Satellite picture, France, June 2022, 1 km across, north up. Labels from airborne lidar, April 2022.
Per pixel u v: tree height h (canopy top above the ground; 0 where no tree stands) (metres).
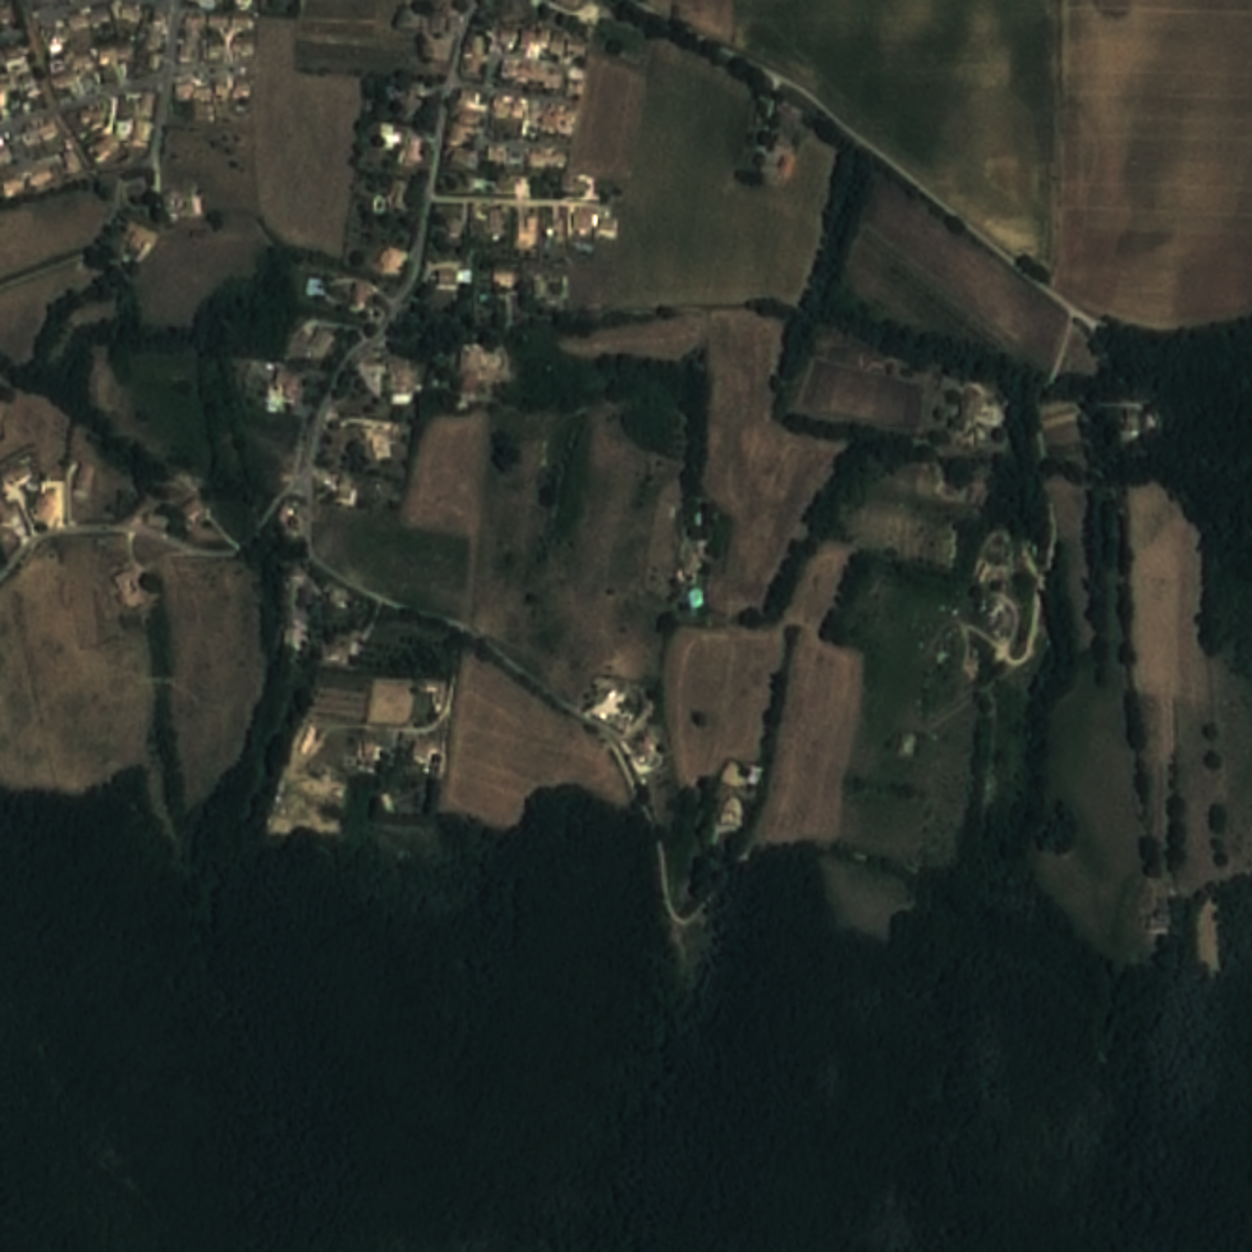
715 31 0
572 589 0
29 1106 8
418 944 12
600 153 0
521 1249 13
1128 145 0
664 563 0
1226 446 16
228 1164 11
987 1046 11
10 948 8
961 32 0
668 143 0
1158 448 17
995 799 6
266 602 7
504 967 12
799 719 0
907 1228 12
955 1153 17
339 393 10
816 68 0
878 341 17
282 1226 11
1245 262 0
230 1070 13
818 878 10
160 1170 6
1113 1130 15
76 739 0
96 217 0
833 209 13
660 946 16
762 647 0
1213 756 10
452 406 9
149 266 0
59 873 7
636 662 0
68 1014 6
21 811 13
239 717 0
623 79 0
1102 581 17
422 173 9
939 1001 17
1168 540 0
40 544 0
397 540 0
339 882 7
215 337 15
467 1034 12
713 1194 10
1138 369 15
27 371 12
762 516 0
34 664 0
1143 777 8
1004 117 0
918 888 7
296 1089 10
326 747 0
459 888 13
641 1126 16
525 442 0
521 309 11
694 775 0
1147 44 0
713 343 0
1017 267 8
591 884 12
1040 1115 11
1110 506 8
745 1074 12
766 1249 8
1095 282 0
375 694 0
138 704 0
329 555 0
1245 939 11
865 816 0
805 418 8
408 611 13
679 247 0
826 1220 8
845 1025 11
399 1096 7
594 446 0
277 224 0
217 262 0
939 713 0
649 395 8
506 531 0
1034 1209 9
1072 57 0
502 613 0
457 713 0
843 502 6
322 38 0
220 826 13
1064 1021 13
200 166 0
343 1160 10
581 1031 10
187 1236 6
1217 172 0
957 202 0
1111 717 0
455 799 0
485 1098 10
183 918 8
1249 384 12
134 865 6
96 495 0
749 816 6
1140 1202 16
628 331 0
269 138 0
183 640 0
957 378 14
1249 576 14
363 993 7
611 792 0
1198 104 0
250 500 9
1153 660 0
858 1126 11
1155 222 0
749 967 12
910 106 0
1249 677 7
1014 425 18
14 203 10
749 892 8
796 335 18
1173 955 11
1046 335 0
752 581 0
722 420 0
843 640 9
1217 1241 11
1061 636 20
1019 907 13
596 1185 15
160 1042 8
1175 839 14
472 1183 11
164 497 8
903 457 9
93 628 0
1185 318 0
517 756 0
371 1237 10
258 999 7
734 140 0
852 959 12
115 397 0
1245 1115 9
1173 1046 12
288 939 8
